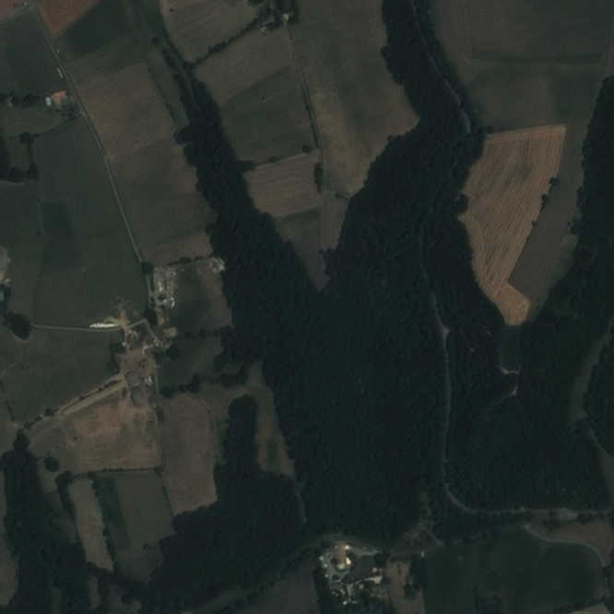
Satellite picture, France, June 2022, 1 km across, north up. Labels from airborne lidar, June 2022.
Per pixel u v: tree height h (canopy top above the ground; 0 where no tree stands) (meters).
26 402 0
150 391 0
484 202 0
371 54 0
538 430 22
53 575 14
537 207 0
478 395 7
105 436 0
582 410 0
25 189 0
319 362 16
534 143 0
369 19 0
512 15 0
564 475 20
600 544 0
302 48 0
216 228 15
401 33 24
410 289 27
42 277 0
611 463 0
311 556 14
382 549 0
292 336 27
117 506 0
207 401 0
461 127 25
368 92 0
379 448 20
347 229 14
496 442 10
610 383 16
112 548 10
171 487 0
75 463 0
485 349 24
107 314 0
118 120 0
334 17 0
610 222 22
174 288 0
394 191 25
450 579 0
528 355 22
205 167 17
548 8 0
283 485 21
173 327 0
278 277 26
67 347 0
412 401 26
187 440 0
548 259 0
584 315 16
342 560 0
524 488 18
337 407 17
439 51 18
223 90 0
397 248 25
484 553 0
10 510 12
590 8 0
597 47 0
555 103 0
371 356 22
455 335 7
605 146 24
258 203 0
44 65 0
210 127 11
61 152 0
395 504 16
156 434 0
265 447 0
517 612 0
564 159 0
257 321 24
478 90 0
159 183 0
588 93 0
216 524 22
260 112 0
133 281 0
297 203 0
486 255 0
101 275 0
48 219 0
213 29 0
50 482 0
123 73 0
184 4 0
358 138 0
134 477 0
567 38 0
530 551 0
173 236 0
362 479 19
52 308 0
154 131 0
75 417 0
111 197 0
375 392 17
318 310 17
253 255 29
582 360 27
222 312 0
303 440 28
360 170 0
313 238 0
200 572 19
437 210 21
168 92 0
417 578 17
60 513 0
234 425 15
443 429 23
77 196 0
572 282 11
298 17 6
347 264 20
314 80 0
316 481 26
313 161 0
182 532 16
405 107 0
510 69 0
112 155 0
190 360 0
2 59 0
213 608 0
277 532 16
